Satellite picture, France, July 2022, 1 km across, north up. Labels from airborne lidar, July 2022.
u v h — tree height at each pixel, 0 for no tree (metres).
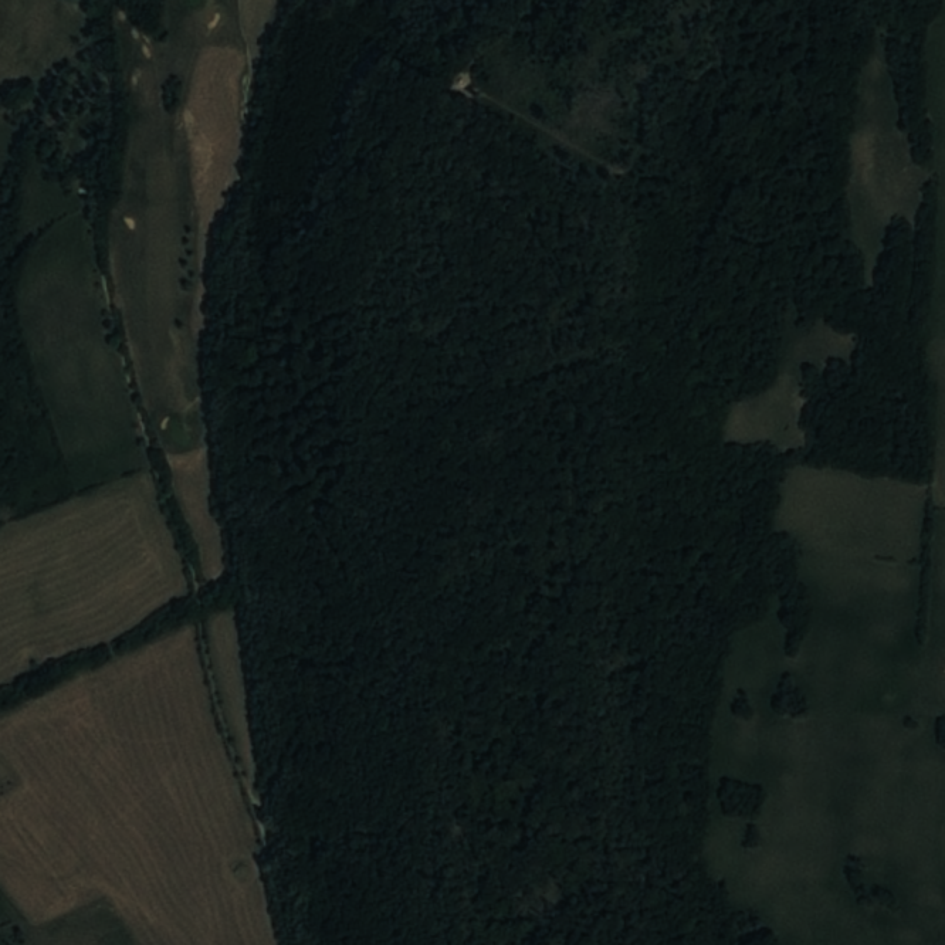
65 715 0
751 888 0
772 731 0
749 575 27
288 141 11
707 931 29
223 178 0
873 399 18
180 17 0
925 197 9
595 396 19
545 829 23
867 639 0
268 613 30
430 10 35
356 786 21
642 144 22
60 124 27
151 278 0
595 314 21
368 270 17
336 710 28
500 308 18
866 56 27
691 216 18
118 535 0
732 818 12
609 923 23
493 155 23
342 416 20
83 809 0
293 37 11
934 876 0
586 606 20
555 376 21
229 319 25
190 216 0
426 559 19
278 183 13
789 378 0
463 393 20
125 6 25
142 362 0
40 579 0
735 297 15
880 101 0
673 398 30
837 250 25
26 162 19
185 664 0
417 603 24
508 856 22
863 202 0
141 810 0
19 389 6
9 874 0
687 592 25
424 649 17
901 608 0
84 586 0
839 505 0
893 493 0
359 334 20
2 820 0
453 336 21
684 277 12
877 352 18
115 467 0
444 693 15
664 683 28
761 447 7
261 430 31
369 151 27
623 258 17
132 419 0
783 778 0
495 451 26
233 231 21
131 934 0
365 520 13
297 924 24
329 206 31
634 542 29
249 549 28
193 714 0
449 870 19
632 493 23
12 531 0
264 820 26
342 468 7
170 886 0
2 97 19
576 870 22
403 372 21
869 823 0
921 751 0
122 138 14
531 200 21
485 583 19
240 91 0
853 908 0
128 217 0
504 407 22
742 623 20
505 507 20
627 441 23
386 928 20
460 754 16
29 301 0
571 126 0
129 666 0
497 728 21
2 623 0
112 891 0
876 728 0
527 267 21
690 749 22
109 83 28
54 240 0
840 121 28
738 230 26
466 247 20
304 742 29
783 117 29
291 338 31
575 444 20
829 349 0
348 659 9
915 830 0
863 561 0
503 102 0
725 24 26
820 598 0
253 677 25
